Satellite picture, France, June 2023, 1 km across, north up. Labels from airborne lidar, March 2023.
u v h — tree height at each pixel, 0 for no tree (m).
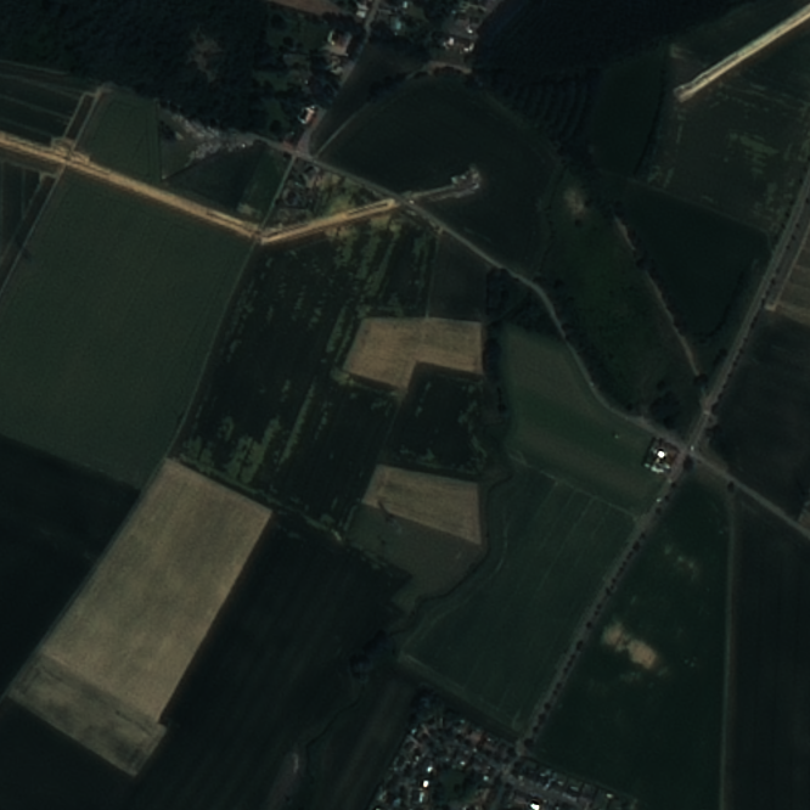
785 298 0
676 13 31
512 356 0
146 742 0
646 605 0
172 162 0
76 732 0
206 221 0
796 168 0
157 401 0
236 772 0
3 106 0
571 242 0
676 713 0
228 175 0
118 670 0
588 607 0
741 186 0
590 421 0
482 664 0
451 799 0
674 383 0
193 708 0
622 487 0
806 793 0
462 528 0
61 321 0
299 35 0
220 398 0
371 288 0
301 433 0
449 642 0
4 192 0
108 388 0
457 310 0
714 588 0
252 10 15
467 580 0
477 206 0
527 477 0
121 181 0
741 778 0
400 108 0
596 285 0
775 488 0
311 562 0
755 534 0
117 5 10
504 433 0
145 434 0
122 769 0
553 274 0
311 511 0
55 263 0
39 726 0
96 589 0
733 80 0
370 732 0
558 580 0
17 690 0
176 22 13
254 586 0
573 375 0
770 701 0
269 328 0
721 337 0
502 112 0
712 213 0
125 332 0
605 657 0
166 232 0
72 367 0
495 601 0
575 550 0
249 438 0
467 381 0
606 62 6
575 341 10
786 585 0
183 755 0
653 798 0
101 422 0
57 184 0
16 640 0
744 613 0
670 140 0
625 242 0
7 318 0
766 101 0
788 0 0
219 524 0
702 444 0
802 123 0
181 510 0
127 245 0
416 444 0
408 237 0
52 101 0
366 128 0
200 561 0
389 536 0
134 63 8
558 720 0
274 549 0
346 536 0
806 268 0
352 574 0
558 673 0
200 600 0
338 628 0
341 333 0
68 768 0
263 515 0
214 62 6
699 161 0
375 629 0
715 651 0
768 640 0
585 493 0
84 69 9
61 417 0
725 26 0
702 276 0
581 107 32
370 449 0
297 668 0
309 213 0
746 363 0
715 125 0
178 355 0
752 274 0
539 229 0
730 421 0
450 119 0
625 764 0
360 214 0
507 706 0
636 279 0
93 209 0
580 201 0
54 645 0
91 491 0
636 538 0
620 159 0
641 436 0
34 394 0
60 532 0
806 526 0
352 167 0
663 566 0
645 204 0
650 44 7
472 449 0
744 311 0
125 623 0
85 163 0
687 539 0
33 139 0
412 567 0
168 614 0
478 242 0
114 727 0
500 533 0
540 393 0
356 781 0
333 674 0
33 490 0
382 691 0
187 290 0
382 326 0
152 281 0
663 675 0
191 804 0
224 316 0
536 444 0
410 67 0
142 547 0
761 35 0
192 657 0
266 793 0
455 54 0
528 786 0
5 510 0
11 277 0
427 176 0
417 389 0
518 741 0
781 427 0
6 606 0
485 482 0
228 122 18
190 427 0
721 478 0
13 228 0
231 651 0
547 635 0
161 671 0
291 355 0
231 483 0
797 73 0
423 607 0
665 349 0
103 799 0
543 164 0
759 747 0
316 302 0
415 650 0
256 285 0
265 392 0
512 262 0
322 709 0
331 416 0
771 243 0
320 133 0
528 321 6
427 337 0
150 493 0
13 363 0
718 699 0
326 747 0
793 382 0
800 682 0
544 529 0
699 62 0
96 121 0
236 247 0
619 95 0
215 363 0
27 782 0
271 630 0
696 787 0
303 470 0
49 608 0
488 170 0
